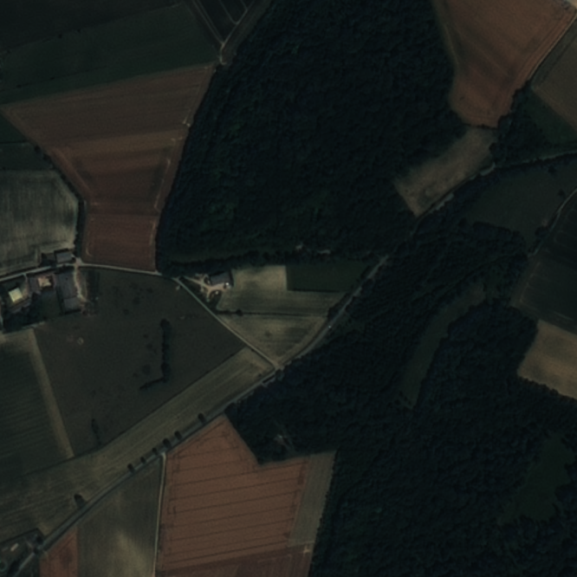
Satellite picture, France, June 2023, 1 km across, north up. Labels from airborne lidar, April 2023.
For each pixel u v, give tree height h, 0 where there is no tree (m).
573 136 0
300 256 21
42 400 0
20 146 0
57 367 0
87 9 0
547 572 25
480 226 17
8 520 0
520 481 29
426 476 20
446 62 20
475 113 0
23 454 0
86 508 0
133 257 0
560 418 14
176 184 11
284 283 0
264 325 0
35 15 0
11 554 0
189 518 0
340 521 21
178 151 0
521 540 22
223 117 26
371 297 11
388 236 22
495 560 31
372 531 24
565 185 0
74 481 0
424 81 20
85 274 0
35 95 0
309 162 23
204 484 0
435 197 0
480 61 0
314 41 21
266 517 0
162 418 0
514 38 0
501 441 24
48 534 0
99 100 0
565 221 0
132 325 0
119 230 0
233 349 0
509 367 22
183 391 0
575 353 0
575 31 0
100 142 0
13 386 0
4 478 0
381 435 20
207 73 0
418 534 20
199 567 0
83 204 8
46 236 0
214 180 24
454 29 0
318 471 0
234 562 0
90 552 0
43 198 0
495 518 17
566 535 7
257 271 0
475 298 0
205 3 0
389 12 22
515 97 9
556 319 0
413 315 11
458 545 25
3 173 0
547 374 0
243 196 19
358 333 9
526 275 0
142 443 0
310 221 25
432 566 27
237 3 0
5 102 0
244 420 21
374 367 14
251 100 20
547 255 0
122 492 0
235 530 0
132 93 0
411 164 16
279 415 24
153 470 0
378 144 24
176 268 17
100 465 0
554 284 0
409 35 20
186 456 0
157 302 0
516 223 0
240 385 0
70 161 0
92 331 0
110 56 0
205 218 20
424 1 21
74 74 0
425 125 21
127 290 0
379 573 26
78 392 0
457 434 25
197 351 0
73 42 0
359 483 13
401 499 22
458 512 26
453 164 0
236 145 22
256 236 23
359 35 22
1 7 0
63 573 0
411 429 22
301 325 0
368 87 23
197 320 0
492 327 22
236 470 0
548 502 0
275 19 9
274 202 24
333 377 15
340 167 21
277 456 17
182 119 0
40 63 0
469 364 25
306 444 19
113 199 0
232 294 0
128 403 0
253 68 26
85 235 0
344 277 0
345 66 20
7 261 0
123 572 0
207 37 0
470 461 27
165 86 0
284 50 22
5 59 0
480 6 0
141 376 0
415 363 0
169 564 0
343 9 17
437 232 9
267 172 25
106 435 0
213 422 0
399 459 17
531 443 27
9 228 0
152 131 0
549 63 0
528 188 0
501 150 18
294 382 29
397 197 19
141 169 0
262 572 0
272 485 0
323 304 0
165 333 6
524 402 17
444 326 0
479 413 19
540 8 0
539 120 0
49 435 0
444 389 23
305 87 26
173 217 27
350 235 23
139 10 0
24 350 0
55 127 0
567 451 0
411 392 0
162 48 0
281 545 0
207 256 0
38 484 0
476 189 23
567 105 0
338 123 21
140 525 0
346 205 23
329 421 21
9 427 0
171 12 0
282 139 26
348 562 27
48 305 0
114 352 0
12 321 19
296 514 0
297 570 0
